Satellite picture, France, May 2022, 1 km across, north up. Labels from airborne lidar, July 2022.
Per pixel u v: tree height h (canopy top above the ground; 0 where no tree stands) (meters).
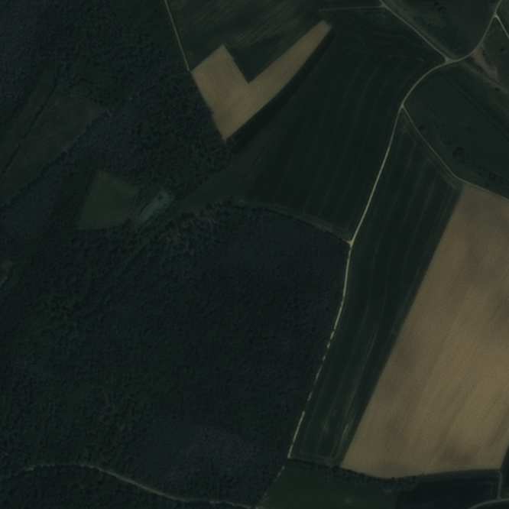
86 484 27
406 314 0
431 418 0
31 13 21
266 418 24
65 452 24
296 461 12
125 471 21
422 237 0
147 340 20
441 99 0
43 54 25
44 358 25
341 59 0
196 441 19
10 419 17
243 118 0
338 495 0
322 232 11
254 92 0
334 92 0
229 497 25
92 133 18
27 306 19
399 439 0
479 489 0
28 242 21
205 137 23
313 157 0
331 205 0
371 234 0
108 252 14
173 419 25
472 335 0
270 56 0
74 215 13
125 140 22
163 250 12
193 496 28
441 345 0
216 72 0
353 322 0
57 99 0
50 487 26
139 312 16
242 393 21
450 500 0
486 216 0
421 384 0
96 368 20
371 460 0
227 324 23
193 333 22
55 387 14
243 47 0
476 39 0
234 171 0
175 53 6
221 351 23
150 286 20
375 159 0
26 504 27
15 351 16
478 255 0
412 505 0
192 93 22
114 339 17
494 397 0
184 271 18
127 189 0
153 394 18
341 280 14
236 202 0
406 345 0
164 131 7
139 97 9
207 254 23
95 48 16
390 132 0
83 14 20
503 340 0
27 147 0
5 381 22
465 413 0
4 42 21
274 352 20
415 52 0
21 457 19
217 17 0
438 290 0
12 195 0
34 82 23
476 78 0
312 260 17
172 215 7
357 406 0
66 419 20
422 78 0
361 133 0
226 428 18
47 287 19
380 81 0
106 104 13
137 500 22
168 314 20
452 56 0
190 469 18
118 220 0
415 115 0
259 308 23
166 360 18
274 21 0
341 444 0
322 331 21
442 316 0
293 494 0
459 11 0
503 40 0
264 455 25
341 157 0
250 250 19
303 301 14
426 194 0
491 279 0
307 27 0
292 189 0
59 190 19
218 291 20
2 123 16
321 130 0
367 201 0
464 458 0
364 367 0
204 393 21
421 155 0
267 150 0
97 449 6
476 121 0
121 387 20
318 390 0
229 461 21
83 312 8
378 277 0
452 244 0
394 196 0
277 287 21
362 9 0
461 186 0
